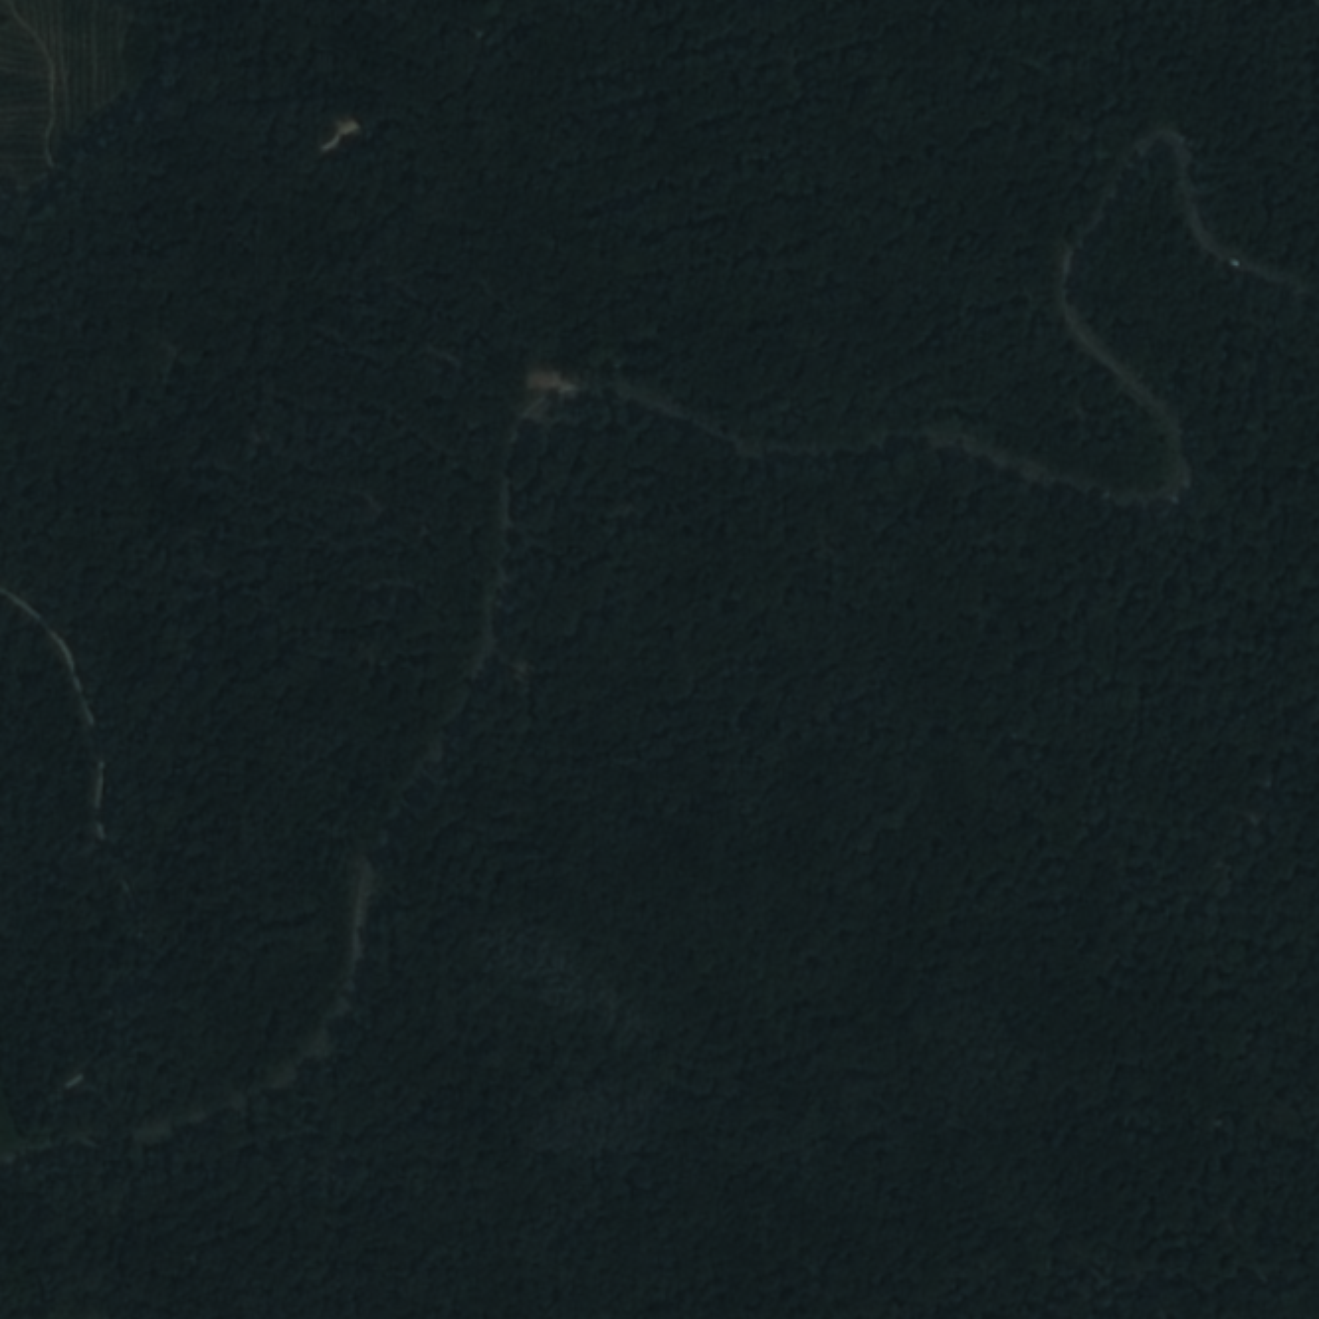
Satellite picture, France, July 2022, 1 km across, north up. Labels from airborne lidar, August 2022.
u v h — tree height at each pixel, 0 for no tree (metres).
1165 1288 26
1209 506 21
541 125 23
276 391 19
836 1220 23
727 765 24
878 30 23
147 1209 22
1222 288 25
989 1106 24
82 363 26
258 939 19
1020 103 26
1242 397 20
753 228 27
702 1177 26
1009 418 22
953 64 23
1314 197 20
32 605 7
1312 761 29
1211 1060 25
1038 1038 22
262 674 25
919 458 28
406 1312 22
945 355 23
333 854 19
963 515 25
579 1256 22
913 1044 20
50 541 23
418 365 26
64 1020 15
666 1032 17
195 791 23
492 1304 26
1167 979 16
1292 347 27
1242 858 23
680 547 29
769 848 22
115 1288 23
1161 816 22
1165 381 24
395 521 20
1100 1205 23
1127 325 19
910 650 23
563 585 28
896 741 17
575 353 28
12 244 27
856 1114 25
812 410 18
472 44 22
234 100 30
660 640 27
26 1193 14
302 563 20
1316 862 20
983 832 25
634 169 27
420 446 24
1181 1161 24
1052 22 26
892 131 29
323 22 25
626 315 27
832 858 22
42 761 17
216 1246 28
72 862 31
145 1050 14
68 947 18
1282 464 22
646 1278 22
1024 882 16
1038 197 25
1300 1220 29
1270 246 24
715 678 24
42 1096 24
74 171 31
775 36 26
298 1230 25
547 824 23
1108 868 25
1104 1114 27
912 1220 25
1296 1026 23
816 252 27
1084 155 26
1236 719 25
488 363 26
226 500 25
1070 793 26
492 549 25
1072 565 21
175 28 25
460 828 25
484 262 19
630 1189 20
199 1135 26
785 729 24
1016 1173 23
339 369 21
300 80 22
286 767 14
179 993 27
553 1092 23
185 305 29
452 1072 21
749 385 21
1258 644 24
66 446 25
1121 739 26
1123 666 26
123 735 28
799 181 25
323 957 27
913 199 24
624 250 28
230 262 30
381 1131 24
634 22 26
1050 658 24
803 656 22
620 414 27
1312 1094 26
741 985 24
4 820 16
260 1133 23
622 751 24
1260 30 18
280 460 23
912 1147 22
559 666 24
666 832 22
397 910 26
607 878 24
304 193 29
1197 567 31
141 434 25
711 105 27
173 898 28
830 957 26
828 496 25
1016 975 22
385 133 21
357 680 18
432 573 24
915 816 25
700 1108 24
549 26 25
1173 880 23
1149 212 13
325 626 27
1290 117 24
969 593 26
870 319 28
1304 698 19
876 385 21
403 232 26
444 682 26
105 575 17
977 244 26
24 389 24
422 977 23
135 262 24
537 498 26
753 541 25
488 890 15
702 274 22
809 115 28
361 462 20
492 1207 20
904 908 28
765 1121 8
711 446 25
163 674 28
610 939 22
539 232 25
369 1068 15
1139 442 27
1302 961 23
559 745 21
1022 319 22
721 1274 19
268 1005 27
